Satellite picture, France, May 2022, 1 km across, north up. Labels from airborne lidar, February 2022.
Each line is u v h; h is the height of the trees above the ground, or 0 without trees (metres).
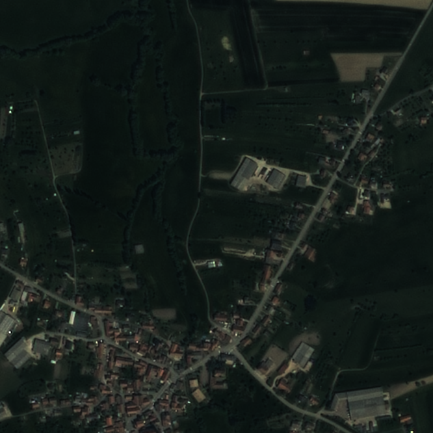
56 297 0
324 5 0
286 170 0
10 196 0
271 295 0
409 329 0
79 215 0
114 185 0
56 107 0
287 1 0
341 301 0
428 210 0
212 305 0
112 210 0
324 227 0
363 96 0
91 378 0
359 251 0
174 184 0
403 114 0
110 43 0
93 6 0
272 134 0
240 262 0
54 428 9
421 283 0
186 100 0
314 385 0
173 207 0
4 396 0
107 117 0
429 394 0
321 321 0
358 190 0
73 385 0
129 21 23
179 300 0
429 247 0
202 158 0
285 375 0
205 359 0
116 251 0
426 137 0
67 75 0
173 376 0
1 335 0
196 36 0
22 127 0
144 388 0
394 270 0
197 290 0
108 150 0
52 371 0
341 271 0
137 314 0
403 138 0
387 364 0
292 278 0
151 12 18
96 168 0
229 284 0
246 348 0
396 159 0
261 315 0
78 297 0
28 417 0
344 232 0
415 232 0
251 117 0
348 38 0
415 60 0
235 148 0
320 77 0
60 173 0
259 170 0
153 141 0
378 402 0
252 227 0
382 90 0
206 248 0
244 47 0
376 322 0
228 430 0
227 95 0
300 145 0
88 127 0
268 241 0
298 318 0
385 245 0
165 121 0
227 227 0
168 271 0
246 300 0
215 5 0
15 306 0
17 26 0
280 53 0
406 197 0
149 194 0
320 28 0
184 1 0
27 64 0
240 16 0
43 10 0
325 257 0
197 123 0
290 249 0
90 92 0
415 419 0
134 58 0
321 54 0
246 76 0
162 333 0
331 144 8
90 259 0
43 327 0
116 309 0
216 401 0
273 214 0
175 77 0
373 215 0
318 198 0
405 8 0
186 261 0
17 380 0
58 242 0
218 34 0
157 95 0
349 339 0
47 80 0
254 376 0
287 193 0
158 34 0
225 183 0
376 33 0
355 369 0
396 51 0
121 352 8
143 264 0
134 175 0
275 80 0
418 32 0
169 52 0
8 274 0
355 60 0
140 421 0
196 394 0
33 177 0
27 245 0
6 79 0
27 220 0
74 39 16
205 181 0
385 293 0
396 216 0
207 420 0
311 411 0
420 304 0
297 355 0
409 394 0
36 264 0
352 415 0
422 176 6
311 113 0
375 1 0
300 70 0
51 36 0
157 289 0
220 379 0
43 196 0
